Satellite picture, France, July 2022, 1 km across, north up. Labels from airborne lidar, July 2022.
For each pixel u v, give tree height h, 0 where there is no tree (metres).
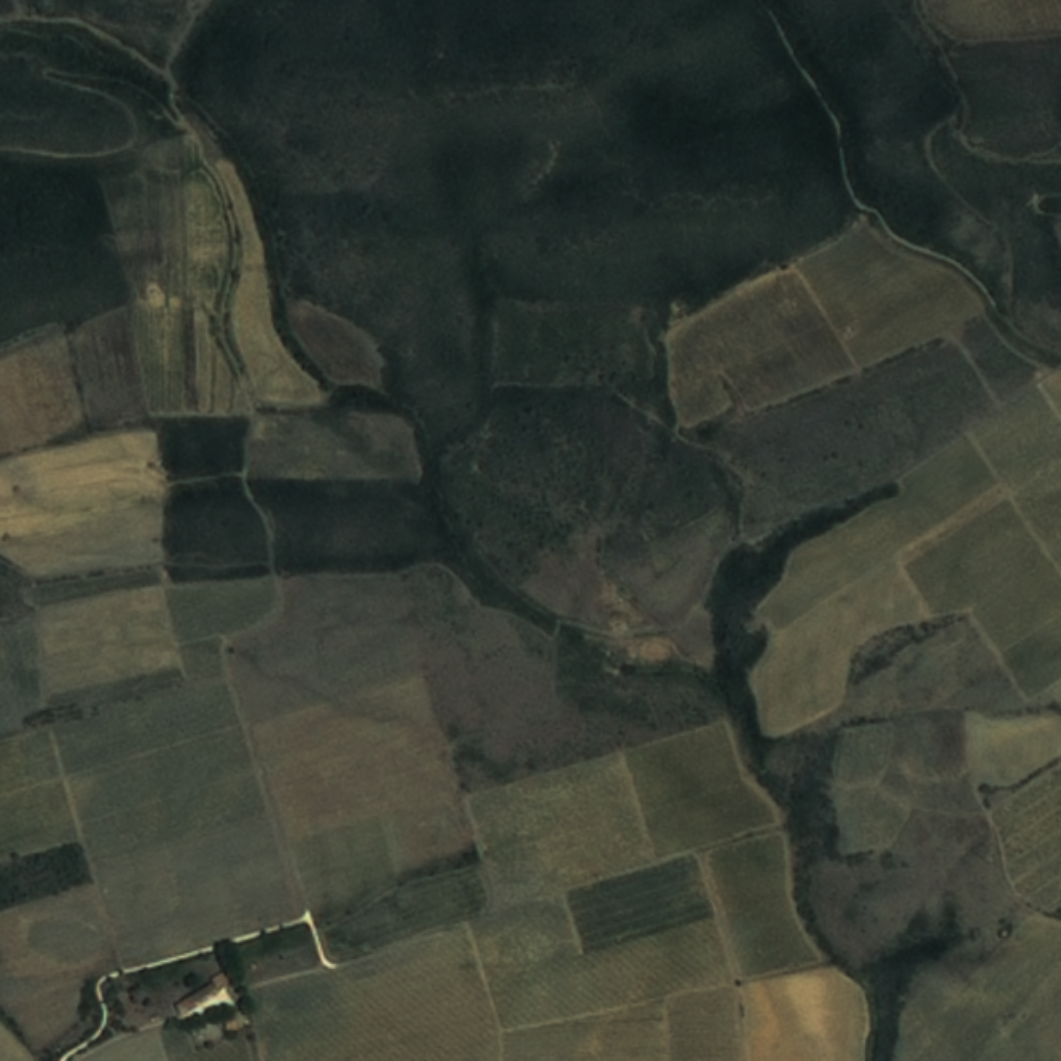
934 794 0
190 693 0
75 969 0
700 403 0
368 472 0
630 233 0
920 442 0
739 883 0
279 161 0
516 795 0
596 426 0
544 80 0
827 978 0
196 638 0
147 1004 11
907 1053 0
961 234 0
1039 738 0
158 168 0
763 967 0
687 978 0
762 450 0
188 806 0
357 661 0
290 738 0
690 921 0
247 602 0
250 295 0
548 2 6
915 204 5
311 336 0
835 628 0
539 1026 0
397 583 0
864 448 0
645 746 0
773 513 0
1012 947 0
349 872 0
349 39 6
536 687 0
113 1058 0
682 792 0
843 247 0
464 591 0
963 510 0
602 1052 0
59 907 0
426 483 6
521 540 0
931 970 0
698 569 0
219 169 0
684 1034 0
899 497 0
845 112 6
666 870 0
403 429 0
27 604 0
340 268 0
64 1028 0
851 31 6
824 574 0
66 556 0
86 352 0
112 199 0
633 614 0
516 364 0
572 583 0
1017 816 0
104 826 0
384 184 0
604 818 0
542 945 0
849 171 7
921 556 0
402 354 0
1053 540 0
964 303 0
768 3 10
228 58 6
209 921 0
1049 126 0
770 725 0
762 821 0
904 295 0
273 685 0
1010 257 0
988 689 0
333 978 0
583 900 0
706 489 0
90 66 6
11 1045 0
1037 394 0
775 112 6
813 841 0
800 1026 0
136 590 0
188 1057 0
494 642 0
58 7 0
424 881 0
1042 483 0
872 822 0
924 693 0
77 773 0
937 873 0
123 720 0
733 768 0
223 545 0
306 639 0
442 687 0
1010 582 0
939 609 0
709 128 8
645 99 6
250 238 0
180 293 0
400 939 0
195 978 13
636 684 0
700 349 0
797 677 0
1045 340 0
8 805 0
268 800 0
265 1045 0
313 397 0
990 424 0
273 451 0
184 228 0
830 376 0
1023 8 0
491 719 0
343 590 0
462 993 0
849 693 0
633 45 6
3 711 0
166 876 0
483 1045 0
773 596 0
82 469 0
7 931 0
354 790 0
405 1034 0
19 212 8
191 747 0
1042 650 0
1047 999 0
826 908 0
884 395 0
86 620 0
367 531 0
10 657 0
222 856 0
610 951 0
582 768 0
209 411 0
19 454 0
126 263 0
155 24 0
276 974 0
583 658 0
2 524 0
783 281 0
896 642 0
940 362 0
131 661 0
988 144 0
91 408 0
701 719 0
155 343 0
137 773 0
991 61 0
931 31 0
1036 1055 0
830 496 0
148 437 0
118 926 0
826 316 0
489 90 0
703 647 0
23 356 0
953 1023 0
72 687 0
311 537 0
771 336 0
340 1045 0
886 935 0
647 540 0
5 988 0
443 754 0
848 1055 0
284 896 0
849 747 0
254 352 0
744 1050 0
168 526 0
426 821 0
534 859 0
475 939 0
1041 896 0
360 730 0
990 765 0
